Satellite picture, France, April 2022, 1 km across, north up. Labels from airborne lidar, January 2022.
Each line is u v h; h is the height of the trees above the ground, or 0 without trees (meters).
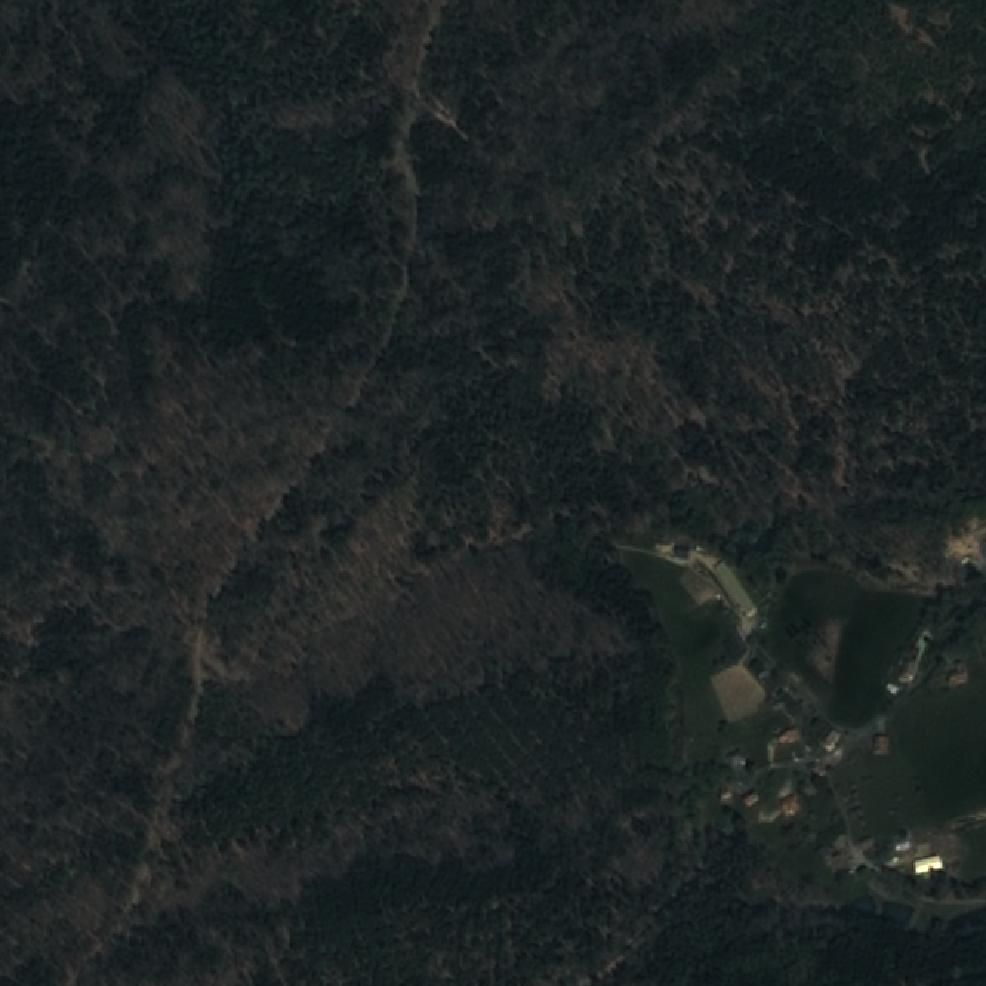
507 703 9
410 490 21
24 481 14
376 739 8
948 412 9
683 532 26
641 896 26
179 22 20
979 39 9
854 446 14
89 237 18
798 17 12
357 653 21
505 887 16
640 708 12
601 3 12
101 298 11
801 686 0
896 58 12
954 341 7
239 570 8
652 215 10
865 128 15
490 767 12
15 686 19
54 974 13
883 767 0
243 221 10
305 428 23
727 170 12
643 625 9
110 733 15
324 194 7
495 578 26
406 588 19
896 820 0
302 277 17
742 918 25
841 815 6
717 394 23
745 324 12
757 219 13
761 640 8
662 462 12
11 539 16
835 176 10
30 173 12
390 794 9
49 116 13
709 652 0
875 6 10
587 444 24
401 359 13
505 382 10
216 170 19
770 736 0
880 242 12
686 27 10
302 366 13
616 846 13
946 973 16
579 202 17
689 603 0
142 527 26
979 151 14
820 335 26
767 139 13
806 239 14
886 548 21
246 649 20
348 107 22
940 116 12
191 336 10
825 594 0
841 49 11
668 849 26
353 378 9
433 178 14
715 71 10
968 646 22
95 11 22
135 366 12
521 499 18
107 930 11
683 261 9
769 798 0
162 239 21
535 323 15
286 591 21
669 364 19
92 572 12
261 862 18
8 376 11
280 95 16
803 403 17
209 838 10
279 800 10
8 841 15
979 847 0
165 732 15
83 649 12
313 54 14
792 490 29
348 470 20
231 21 13
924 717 0
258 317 12
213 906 16
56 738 13
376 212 14
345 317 14
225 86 28
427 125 9
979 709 0
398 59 9
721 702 0
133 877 16
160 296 18
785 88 11
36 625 14
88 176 14
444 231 17
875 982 14
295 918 13
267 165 28
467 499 20
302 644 27
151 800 13
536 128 16
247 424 24
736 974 15
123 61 19
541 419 21
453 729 10
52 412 16
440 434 8
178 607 16
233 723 13
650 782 18
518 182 15
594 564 14
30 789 15
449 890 15
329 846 23
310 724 12
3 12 21
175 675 11
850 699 0
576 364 30
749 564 24
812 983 15
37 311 13
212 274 24
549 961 6
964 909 0
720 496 18
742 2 16
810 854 0
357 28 16
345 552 23
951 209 14
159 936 15
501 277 15
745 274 11
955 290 13
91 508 12
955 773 0
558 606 22
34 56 7
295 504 15
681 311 25
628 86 15
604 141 22
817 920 24
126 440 13
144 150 18
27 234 11
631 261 19
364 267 13
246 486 26
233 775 17
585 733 15
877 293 9
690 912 28
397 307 12
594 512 24
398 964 7
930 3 12
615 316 25
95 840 20
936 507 15
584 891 15
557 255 18
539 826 20
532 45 9
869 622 0
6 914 10
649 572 0
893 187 14
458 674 24
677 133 20
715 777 16
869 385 8
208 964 19
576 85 17
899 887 24
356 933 11
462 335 9
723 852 27
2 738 17
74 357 12
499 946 9
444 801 12
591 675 17
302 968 10
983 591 0
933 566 18
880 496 26
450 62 12
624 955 21
